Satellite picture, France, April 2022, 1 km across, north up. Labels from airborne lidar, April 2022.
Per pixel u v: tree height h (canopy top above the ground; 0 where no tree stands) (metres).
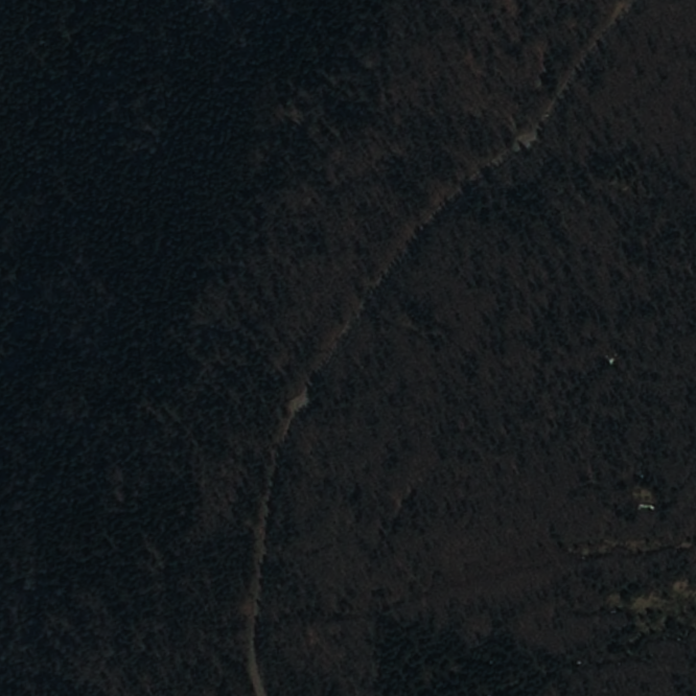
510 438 12
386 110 20
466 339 14
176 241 16
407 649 17
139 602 19
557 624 10
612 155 11
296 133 6
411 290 15
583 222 16
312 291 17
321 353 19
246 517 23
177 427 18
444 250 13
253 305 11
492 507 14
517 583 13
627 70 15
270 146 15
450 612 16
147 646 13
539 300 15
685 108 17
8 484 32
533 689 13
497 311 13
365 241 19
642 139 14
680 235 21
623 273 9
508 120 14
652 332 11
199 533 15
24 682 20
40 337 18
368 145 18
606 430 12
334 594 14
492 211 22
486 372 13
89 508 24
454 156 18
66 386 23
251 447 17
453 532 16
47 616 23
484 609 12
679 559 10
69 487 29
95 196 21
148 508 16
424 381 23
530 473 10
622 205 14
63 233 21
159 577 23
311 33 22
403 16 18
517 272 14
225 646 18
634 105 16
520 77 18
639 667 9
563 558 8
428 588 7
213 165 28
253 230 26
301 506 17
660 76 17
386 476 15
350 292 17
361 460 15
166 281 22
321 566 16
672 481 11
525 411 14
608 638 11
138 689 16
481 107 15
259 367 23
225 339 20
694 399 11
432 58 16
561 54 15
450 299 13
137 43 30
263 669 16
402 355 17
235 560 19
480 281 13
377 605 10
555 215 13
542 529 12
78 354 28
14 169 32
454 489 12
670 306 10
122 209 22
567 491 12
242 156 18
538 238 14
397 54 18
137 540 20
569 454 12
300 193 17
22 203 27
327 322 16
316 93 21
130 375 17
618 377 13
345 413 15
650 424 13
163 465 20
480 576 10
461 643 16
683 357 17
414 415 12
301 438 16
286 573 13
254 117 21
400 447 13
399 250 12
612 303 12
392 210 17
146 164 27
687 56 15
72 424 32
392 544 13
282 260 16
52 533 25
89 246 23
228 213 18
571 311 11
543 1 16
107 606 24
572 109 16
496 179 15
